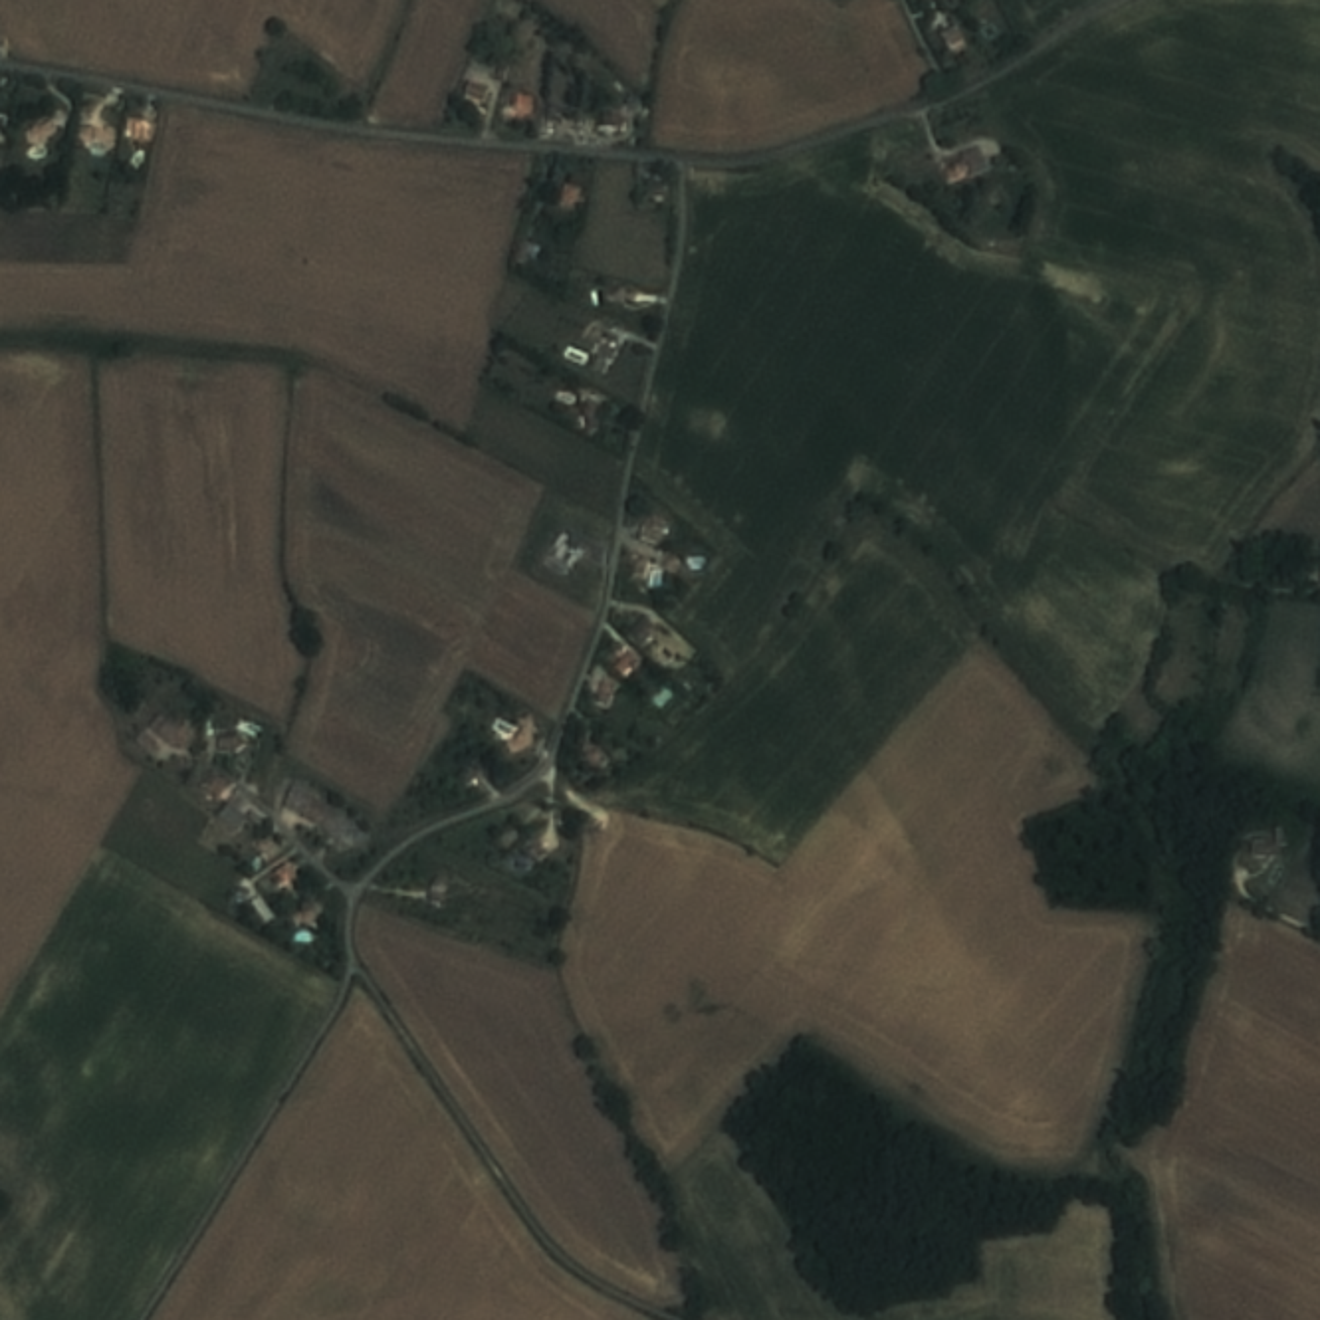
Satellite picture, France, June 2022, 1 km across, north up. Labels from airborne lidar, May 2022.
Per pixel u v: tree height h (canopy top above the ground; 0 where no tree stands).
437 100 0
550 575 0
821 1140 13
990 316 0
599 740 8
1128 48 0
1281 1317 0
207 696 11
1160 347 0
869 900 0
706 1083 0
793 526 0
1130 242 0
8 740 0
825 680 0
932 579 0
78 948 0
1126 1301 20
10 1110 0
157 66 0
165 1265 0
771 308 0
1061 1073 0
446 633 0
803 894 0
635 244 0
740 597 0
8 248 0
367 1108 0
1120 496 0
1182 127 0
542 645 0
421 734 0
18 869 0
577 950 0
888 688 0
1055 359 0
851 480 0
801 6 0
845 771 0
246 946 0
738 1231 0
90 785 0
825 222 0
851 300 0
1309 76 0
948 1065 0
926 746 0
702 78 0
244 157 0
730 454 0
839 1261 20
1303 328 0
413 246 0
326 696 0
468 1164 0
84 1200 0
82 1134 0
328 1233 0
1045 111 0
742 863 0
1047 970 0
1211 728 0
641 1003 0
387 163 0
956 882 0
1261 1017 0
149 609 0
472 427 0
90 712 0
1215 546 0
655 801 0
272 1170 0
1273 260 0
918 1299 15
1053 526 0
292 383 0
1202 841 20
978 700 0
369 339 0
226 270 0
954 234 10
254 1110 0
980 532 0
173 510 0
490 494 0
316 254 0
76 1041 0
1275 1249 0
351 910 0
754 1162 20
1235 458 0
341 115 7
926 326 0
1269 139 0
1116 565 0
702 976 0
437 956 0
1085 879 20
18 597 0
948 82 14
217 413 0
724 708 0
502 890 0
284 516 0
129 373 0
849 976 0
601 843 0
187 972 0
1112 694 0
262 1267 0
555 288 6
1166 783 22
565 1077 0
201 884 0
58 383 0
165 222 0
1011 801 0
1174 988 6
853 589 0
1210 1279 0
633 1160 13
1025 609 0
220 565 0
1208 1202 0
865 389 0
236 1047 0
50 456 0
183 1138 0
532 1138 0
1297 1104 0
